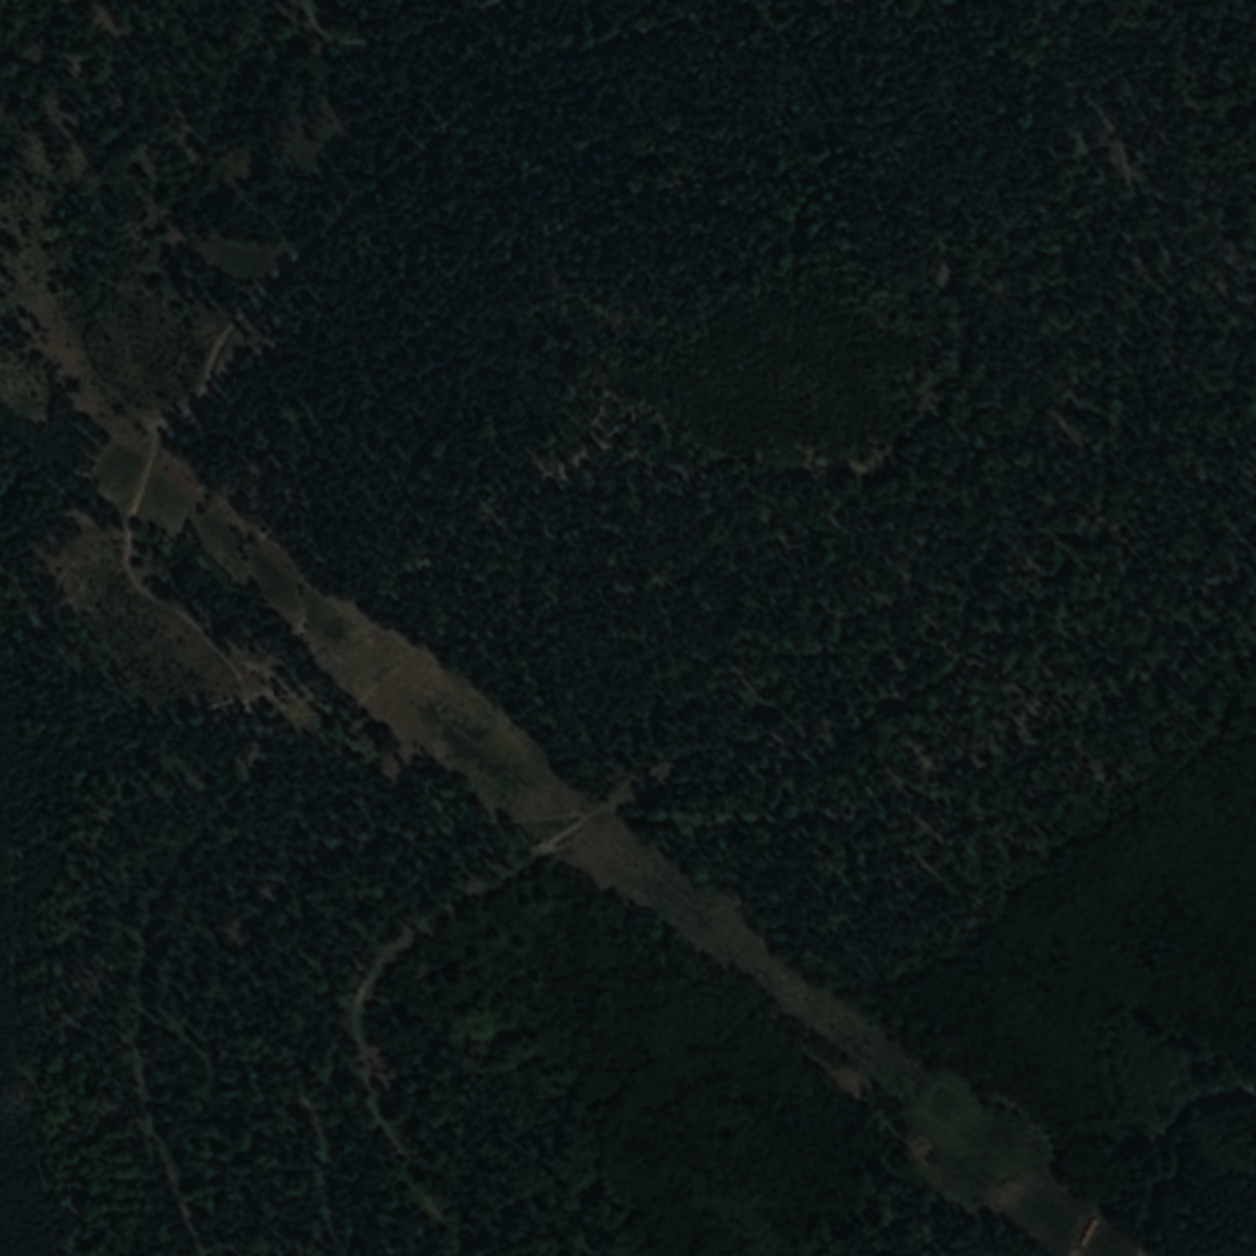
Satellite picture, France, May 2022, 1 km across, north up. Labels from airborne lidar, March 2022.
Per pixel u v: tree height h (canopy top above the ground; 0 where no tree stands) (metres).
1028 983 13
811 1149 14
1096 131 31
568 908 16
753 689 24
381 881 32
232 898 26
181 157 36
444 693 0
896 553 25
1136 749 30
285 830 30
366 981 0
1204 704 24
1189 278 30
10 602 8
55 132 26
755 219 24
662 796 34
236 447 28
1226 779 16
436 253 26
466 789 17
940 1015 16
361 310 17
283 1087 9
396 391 24
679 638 28
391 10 31
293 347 21
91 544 0
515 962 18
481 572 21
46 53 25
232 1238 28
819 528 25
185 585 23
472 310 28
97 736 24
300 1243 28
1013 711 35
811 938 25
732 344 7
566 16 11
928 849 31
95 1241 27
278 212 24
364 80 32
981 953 18
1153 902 17
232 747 30
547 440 18
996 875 30
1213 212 30
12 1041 10
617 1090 22
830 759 27
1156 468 31
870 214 22
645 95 27
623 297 27
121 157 29
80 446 15
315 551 22
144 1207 21
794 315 6
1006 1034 17
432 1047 8
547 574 23
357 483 23
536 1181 14
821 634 24
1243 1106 22
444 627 25
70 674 14
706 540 22
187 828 24
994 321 31
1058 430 26
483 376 28
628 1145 14
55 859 15
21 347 8
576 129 29
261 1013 23
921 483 23
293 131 23
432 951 10
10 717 15
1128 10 22
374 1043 15
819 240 24
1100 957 19
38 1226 14
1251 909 19
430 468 24
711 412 9
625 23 25
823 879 27
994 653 32
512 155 25
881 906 28
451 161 24
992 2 27
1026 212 24
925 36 29
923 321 19
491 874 31
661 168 28
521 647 27
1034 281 26
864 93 32
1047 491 25
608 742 32
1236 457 33
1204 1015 15
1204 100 20
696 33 26
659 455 18
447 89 12
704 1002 17
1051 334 28
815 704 28
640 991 13
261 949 37
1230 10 30
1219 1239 25
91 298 7
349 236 18
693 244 27
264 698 0
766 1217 16
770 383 7
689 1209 16
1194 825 13
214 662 0
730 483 22
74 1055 19
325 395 24
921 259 27
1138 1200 24
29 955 14
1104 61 25
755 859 29
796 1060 16
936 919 30
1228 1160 21
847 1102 18
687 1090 16
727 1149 18
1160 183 24
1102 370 27
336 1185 11
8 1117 15
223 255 0
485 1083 8
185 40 16
